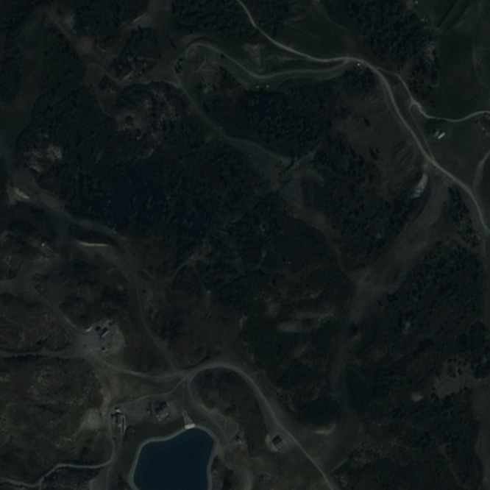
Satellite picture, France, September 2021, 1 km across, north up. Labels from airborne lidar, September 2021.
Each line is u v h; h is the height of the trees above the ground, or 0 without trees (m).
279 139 13
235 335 0
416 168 0
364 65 0
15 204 0
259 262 7
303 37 0
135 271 0
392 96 0
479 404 0
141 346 0
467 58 0
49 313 0
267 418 0
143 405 0
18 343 0
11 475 0
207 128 0
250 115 9
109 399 0
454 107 0
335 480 0
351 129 0
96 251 0
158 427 0
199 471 0
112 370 0
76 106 14
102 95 0
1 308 0
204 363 0
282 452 0
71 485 0
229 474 0
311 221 0
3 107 0
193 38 0
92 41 0
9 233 0
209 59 0
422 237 0
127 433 0
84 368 0
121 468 0
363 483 0
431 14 0
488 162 0
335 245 0
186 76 0
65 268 0
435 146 0
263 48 0
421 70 10
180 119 0
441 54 0
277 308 0
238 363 0
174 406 0
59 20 0
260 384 0
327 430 0
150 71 0
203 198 0
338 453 0
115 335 0
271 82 0
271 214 6
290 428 0
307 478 0
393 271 0
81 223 0
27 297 0
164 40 0
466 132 0
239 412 0
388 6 8
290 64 0
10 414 0
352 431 0
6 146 0
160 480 0
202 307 0
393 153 0
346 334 0
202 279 0
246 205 0
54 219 0
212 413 0
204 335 0
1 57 0
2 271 0
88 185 5
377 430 0
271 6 7
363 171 8
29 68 0
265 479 0
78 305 0
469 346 15
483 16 0
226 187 12
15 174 0
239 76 0
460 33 0
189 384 0
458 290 7
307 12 0
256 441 0
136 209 6
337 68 0
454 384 0
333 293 0
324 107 6
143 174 5
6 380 0
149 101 0
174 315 0
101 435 0
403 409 9
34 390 0
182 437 0
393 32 8
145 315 0
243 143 0
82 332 0
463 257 16
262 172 0
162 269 0
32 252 0
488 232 0
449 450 8
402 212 14
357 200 11
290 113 7
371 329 0
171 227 6
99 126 5
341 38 0
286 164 0
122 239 0
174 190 10
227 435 0
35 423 0
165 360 0
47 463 0
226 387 0
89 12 6
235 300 9
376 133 0
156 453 0
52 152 0
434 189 0
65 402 0
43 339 0
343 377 0
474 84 0
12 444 0
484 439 0
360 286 0
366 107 0
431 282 8
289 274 0
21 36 0
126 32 0
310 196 0
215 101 7
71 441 0
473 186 0
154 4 0
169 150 0
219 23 6
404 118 0
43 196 0
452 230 0
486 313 0
